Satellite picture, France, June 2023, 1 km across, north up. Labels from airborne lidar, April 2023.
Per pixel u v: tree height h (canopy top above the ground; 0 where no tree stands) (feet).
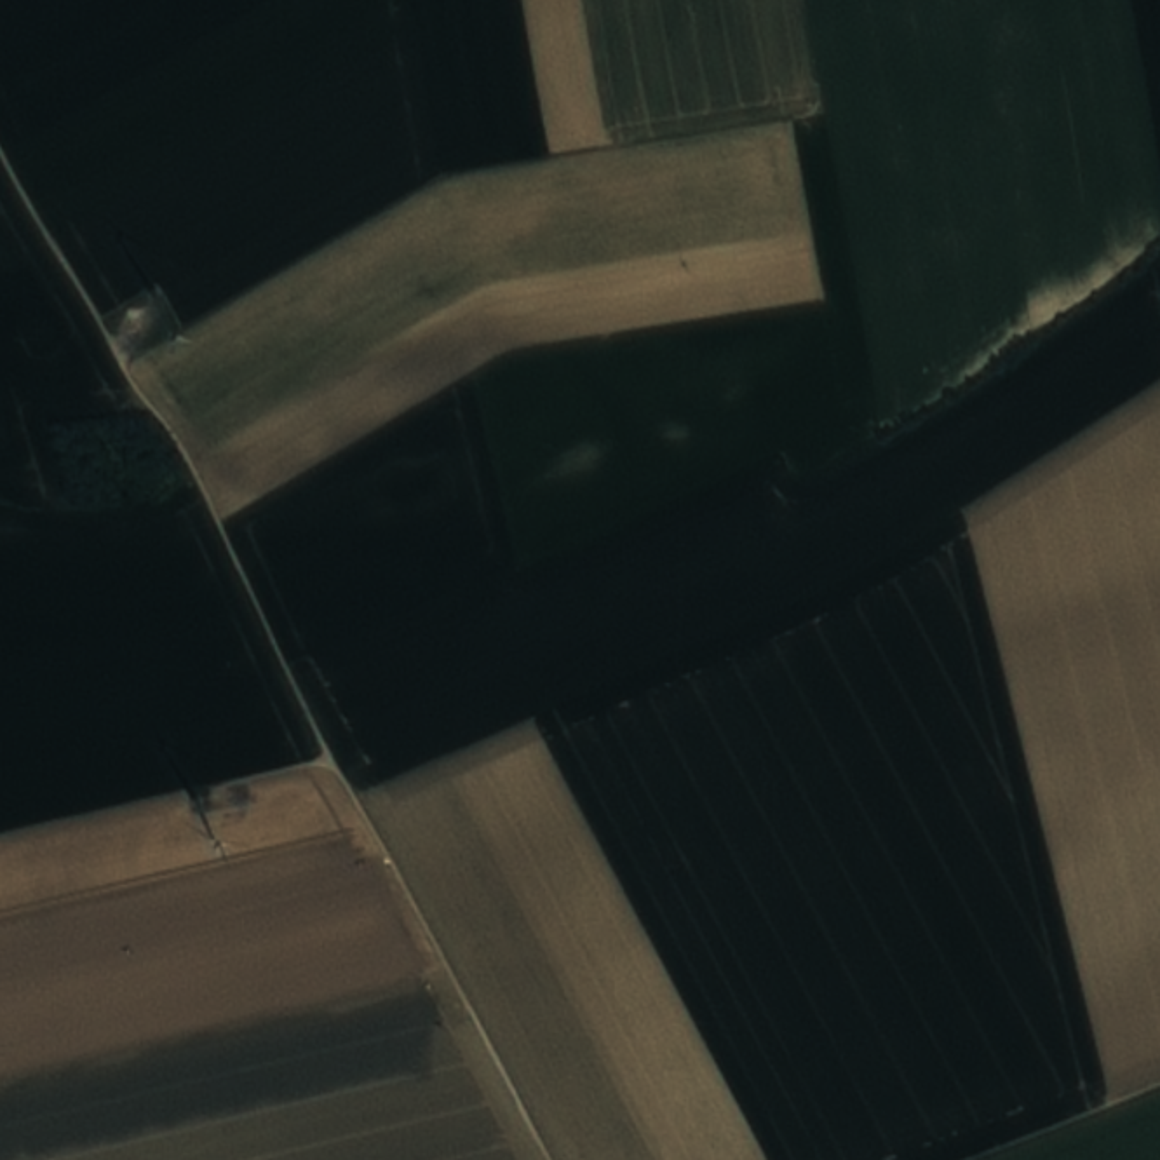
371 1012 0
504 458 0
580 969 0
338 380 0
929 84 0
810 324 0
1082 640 0
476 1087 0
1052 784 0
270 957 0
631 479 0
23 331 0
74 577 0
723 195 0
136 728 0
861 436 0
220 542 0
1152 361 0
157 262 0
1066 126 0
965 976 0
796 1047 0
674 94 0
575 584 0
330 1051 0
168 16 0
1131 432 0
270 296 0
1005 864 0
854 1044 0
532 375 0
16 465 0
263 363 0
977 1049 0
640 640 0
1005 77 0
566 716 0
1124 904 0
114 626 0
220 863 0
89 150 0
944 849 0
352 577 0
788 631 0
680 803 0
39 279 0
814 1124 0
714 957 0
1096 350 0
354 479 0
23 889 0
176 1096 0
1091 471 0
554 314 0
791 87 0
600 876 0
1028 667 0
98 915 0
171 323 0
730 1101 0
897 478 0
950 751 0
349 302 0
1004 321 0
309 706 0
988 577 0
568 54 0
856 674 0
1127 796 0
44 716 0
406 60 0
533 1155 0
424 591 0
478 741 0
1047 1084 0
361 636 0
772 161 0
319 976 0
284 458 0
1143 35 0
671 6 0
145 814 0
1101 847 0
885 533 0
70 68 0
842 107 0
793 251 0
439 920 0
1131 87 0
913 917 0
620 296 0
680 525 0
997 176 0
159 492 42
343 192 0
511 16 0
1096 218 0
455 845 0
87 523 0
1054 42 0
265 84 0
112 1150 0
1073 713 0
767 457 0
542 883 0
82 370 0
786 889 0
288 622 0
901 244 0
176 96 0
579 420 0
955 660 0
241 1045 0
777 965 0
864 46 0
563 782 0
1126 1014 0
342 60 0
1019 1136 0
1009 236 0
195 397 0
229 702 0
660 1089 0
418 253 0
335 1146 0
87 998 0
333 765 0
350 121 0
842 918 0
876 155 0
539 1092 0
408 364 0
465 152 0
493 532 0
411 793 0
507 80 0
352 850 0
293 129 0
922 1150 0
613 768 0
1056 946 0
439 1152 0
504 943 0
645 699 0
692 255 0
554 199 0
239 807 0
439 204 0
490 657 0
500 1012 0
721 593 0
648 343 0
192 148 0
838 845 0
